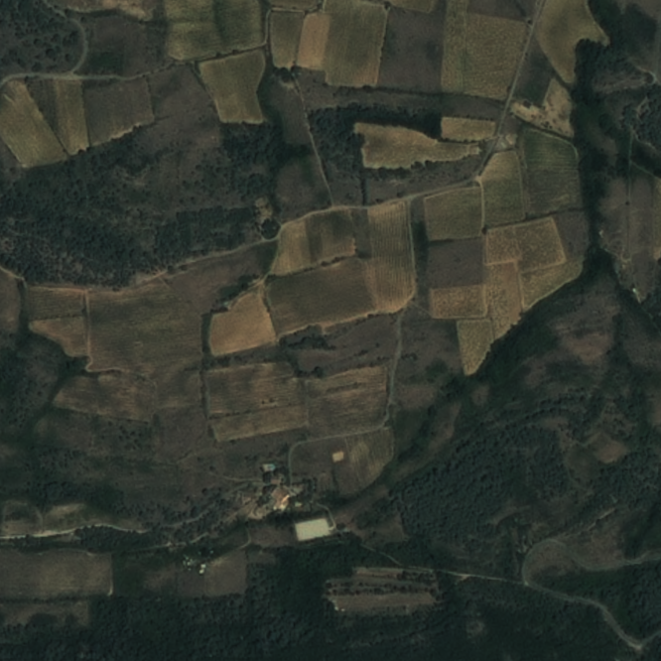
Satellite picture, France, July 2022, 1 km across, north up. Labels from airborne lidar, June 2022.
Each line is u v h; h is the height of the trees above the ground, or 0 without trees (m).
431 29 0
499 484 8
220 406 0
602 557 0
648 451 8
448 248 0
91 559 0
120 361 0
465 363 0
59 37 13
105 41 0
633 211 0
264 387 0
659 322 8
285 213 0
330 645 8
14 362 7
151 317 0
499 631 8
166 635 7
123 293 0
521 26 0
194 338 0
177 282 0
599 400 10
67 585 0
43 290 0
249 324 0
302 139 0
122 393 0
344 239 0
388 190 0
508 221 0
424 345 0
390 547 7
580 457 0
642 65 0
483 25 0
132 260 9
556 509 0
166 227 7
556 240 0
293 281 0
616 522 0
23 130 0
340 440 0
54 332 0
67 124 0
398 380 0
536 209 0
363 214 0
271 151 9
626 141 6
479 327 0
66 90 0
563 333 0
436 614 9
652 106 12
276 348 0
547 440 12
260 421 0
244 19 0
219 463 0
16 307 0
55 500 12
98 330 0
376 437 0
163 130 0
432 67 0
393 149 0
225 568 0
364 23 0
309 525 0
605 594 13
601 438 0
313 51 0
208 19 0
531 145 0
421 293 0
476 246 0
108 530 8
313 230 0
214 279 0
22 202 10
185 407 0
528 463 8
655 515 10
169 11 0
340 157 6
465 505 11
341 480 0
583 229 0
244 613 6
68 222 10
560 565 0
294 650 11
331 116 8
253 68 0
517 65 0
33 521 0
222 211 11
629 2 0
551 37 0
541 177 0
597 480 7
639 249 0
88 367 0
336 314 0
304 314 0
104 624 8
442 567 8
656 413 0
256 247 0
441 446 0
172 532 9
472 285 0
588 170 12
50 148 0
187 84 0
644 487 10
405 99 0
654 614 10
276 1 0
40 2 9
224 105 0
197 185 8
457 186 0
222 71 0
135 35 0
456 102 0
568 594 7
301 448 0
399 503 10
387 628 8
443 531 15
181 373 0
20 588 0
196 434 0
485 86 0
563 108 0
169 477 0
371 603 0
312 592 6
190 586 0
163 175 0
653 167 6
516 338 15
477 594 9
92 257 10
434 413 17
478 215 0
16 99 0
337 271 0
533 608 7
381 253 0
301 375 10
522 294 0
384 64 0
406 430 0
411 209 0
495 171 0
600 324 0
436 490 11
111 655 14
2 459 0
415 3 0
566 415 13
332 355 0
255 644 15
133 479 0
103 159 6
